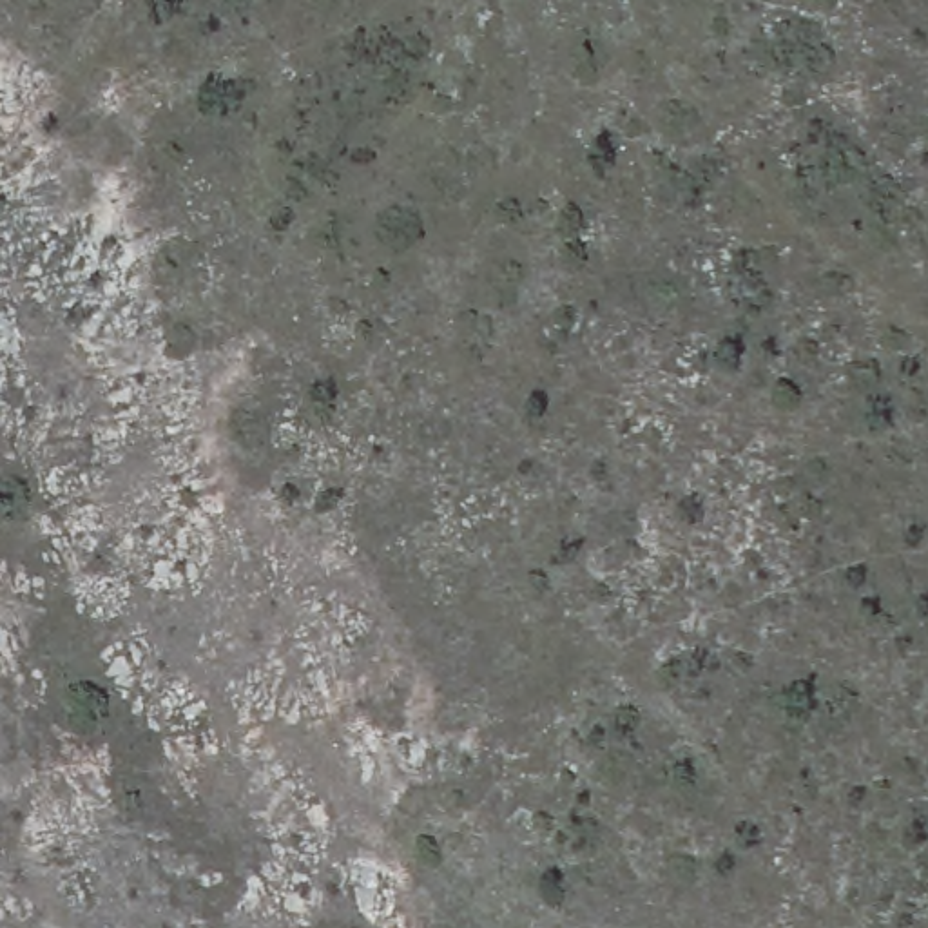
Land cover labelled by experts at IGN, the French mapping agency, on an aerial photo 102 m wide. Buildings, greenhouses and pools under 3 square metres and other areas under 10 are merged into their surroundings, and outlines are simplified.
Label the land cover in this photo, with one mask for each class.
<instances>
[{"label":"herbaceous vegetation","instance_id":"1","mask_svg":"<svg viewBox=\"0 0 928 928\"><path fill-rule=\"evenodd\" d=\"M794 0H0V40H7L18 54H29L33 69H44L58 91V105L47 112L44 134L65 138L76 156L98 160L109 170L116 163L131 167L138 181L134 203L141 210H156V221L163 228H178V239L163 243L152 254L149 279L152 297L160 301L156 319L167 337V355L181 359L192 352L225 348L228 341H239L254 330L276 337V352L254 348L247 377L228 388V421L218 424V442L225 446L236 479L250 489H265L268 475L279 464H294L301 457L297 442H272L283 410H297L294 424L301 428L334 424L352 439H395L384 453H402V475L359 479V497L352 511V533L359 544L355 566L359 573H373L381 580V595L388 598L392 613L399 616V624L410 627L413 656L435 685L431 718L442 732H468L486 747L508 743L511 750H526L529 758H479L475 776L421 783L406 787V794L399 798L388 837L399 845L402 870L410 874V881L417 888H428V895L435 899V928H928V261L921 257V247H892L877 257L870 247H863L859 228L808 225L790 199H779L783 167L794 170V156L787 152V145L808 134L812 116H830V109H812L808 102L787 105L779 73L769 62L747 58L743 47L750 44V36L761 33L776 36V25L790 18ZM754 435L769 439L765 464H776V482L783 493V504H765L761 515L772 518L779 529H798V522L808 515V537L790 544V551L805 558L808 569L805 576L790 580L787 595L765 598V580L758 576L747 587L725 584L721 605L729 609V620H711L700 634L682 627V620L689 616V598L685 587H674L660 613L649 616V627L631 624L624 609L609 613V631L624 638V649L595 642V634L580 620L562 616V609H587L591 602H605L613 595L609 584L587 576L584 551H602L605 569H620L627 558H642L645 547L638 544V511L660 500L674 515L678 504L689 497L663 486L667 471H685L692 468L700 450H714V493L725 497V482H743L736 453H743L747 442H754ZM772 696H805L812 711L801 721V729H787L772 718ZM624 703L642 711L634 732L602 736V743L587 750V732L595 725H613L616 707ZM841 25L823 29L837 54L830 62H819L816 80L834 83L841 73H863V83H877L885 73H899L895 87L866 98L870 123L859 141L874 156L877 170L914 178L917 189L906 199L910 207H921L928 214V0H841Z\"/></svg>","mask_w":928,"mask_h":928},{"label":"bare soil","instance_id":"2","mask_svg":"<svg viewBox=\"0 0 928 928\"><path fill-rule=\"evenodd\" d=\"M58 105V91L44 69H33L29 54H18L7 40H0V515L40 522V533L51 540L44 562L69 566L76 613L94 620L120 616L131 627L102 649L109 682L69 685V700H62V725H54L62 740V758L44 761V769H33V761L4 765L0 758V928H435V899L428 895V888H417L410 881V874L402 870L399 845L388 837L399 798L406 794V787L421 783L417 765L431 747H446L442 732L431 718L435 685L413 656L410 627L399 624V616L392 613L388 598L381 595V580L373 573H359L355 566L359 544L352 533V511L359 497V479L402 475V453H384L395 439H352L334 424L301 428L294 424L297 410H283L272 442H297L301 457L294 464H279L268 475L265 489H250L236 479L225 446L218 442V424L228 421V388L247 377L254 348L276 352V337L254 330L239 341H228L225 348L192 352L181 359L167 355V337L156 319L160 301L152 297L149 279L152 254L163 243L178 239V228H163L156 221V210H141L134 203L138 181L131 167L116 163L109 170L98 160L76 156L65 138L44 134L47 112ZM769 439L754 435V442H747L743 453H736L743 482H725V497L714 493V450H700L692 468L685 471H667L663 486L689 497L678 504L674 515L660 500L638 511V544L645 547L642 558H627L620 569H605L602 551H584L587 576L609 584L613 595L605 602H591L587 609H562V616L580 620L595 634V642L624 649V638L609 631V613L624 609L631 624L649 627V616L660 613L674 587H685L689 598V616L682 620V627L700 634L711 620H729V609L721 605L725 584L747 587L758 576L765 580V598L787 595L790 580L805 576L808 569L805 558L790 551V544L808 537V515L798 522V529H779L772 518L761 515L765 504H783V493L776 482V464H765ZM44 616V576H29L0 558V674L22 685L18 649L29 645V624Z\"/></svg>","mask_w":928,"mask_h":928},{"label":"brushwood","instance_id":"3","mask_svg":"<svg viewBox=\"0 0 928 928\"><path fill-rule=\"evenodd\" d=\"M841 0H794L790 18L776 25V36L761 33L750 36V44L743 47L747 58L769 62L779 73L787 105L808 102L812 109H830V116H812L808 134L787 145V152L794 156V170L783 167L779 199H790L808 225L859 228L863 247H870L877 257L892 247H921V257L928 261V214L921 207H910L906 199L917 189L914 178L877 170L874 156L859 141L870 123L866 98L895 87L899 73H885L877 83H863V73H841L834 83L816 80L819 62H830L837 54L823 29L841 25ZM51 540L40 533V522L0 515V558L29 576H44V616L29 624V645L18 649L22 685L0 674V758L4 765L33 761V769H44V761L62 758V740L54 725H62V700H69V685L109 682L102 649L131 627L120 616L94 620L76 613L69 566L44 562ZM772 718L787 729H801V721L812 711L805 696H772ZM642 711L624 703L616 707L613 725H595L587 732V750L602 743V736L634 732ZM446 747H431L417 765L421 783L475 776L479 758H529L526 750H511L508 743L486 747L468 732H442Z\"/></svg>","mask_w":928,"mask_h":928}]
</instances>
